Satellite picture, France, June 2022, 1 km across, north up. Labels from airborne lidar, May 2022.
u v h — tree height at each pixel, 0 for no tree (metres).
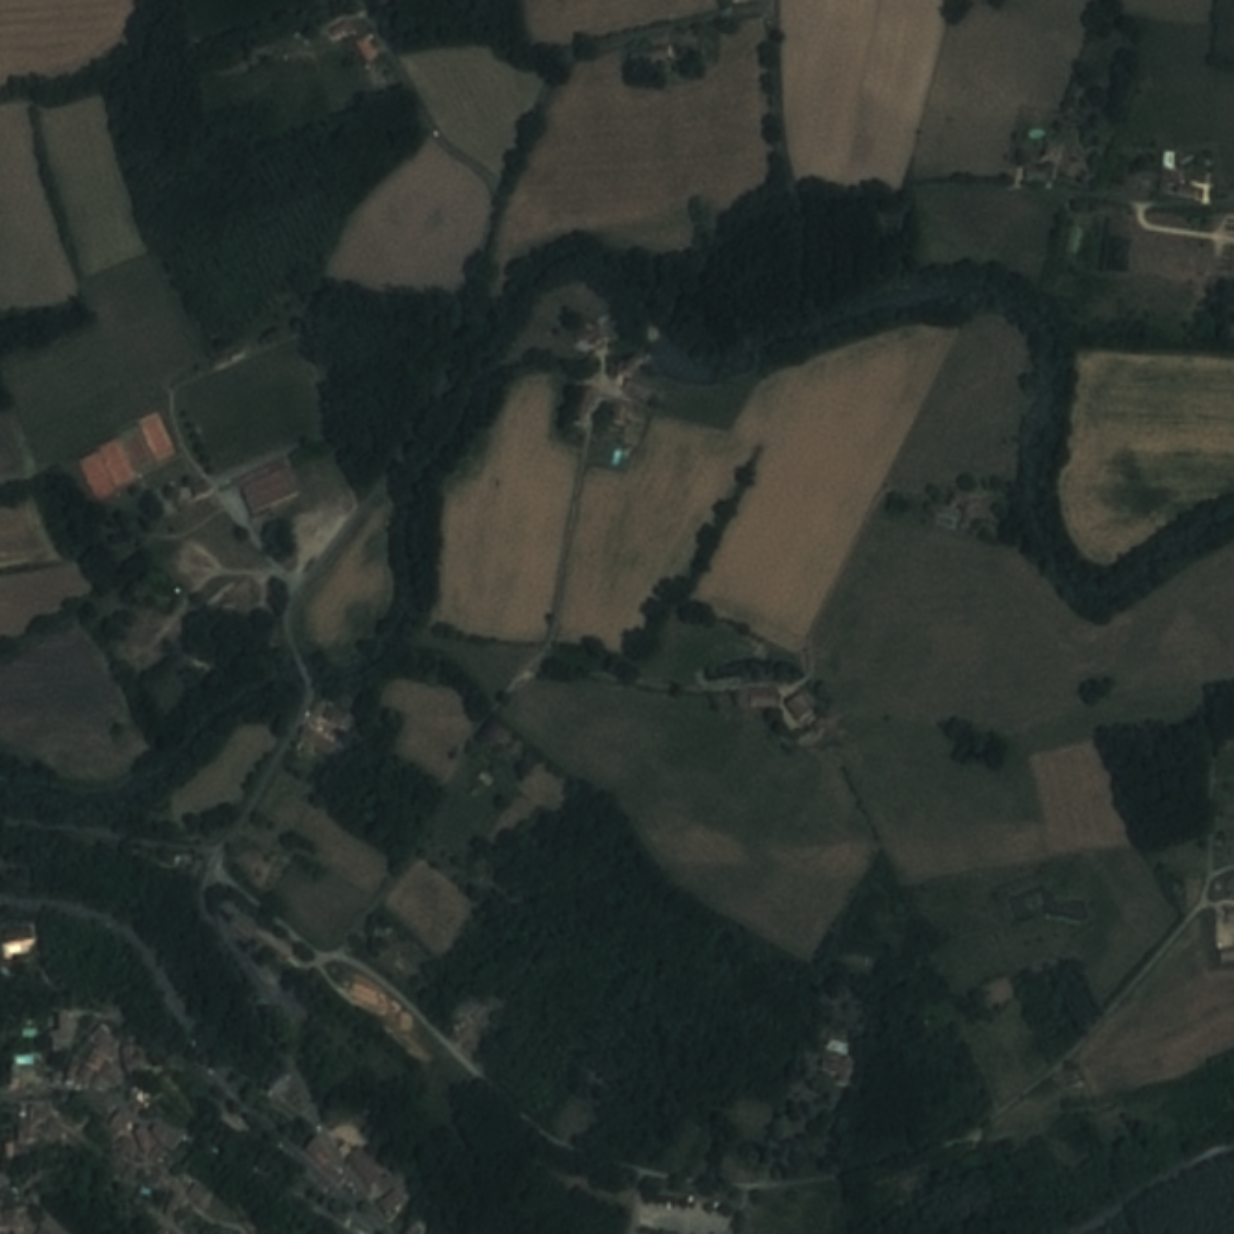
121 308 0
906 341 0
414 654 16
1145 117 0
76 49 0
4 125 0
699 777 0
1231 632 0
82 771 0
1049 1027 6
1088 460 0
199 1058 15
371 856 0
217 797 0
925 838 0
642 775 0
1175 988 0
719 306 17
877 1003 25
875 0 0
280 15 13
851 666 0
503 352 33
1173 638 0
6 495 23
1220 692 17
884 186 18
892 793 0
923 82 0
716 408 0
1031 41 0
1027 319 18
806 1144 20
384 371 34
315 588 0
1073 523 0
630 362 0
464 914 0
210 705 22
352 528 0
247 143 13
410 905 0
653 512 0
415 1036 0
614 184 0
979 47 0
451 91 0
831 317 16
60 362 0
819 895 0
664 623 17
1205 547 7
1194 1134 6
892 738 0
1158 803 19
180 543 0
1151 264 0
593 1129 8
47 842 20
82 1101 11
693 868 0
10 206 0
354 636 0
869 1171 15
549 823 18
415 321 27
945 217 0
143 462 0
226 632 26
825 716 13
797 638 0
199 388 0
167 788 11
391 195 0
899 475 0
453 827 0
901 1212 9
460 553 0
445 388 0
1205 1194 11
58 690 0
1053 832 0
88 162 0
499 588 0
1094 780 0
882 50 0
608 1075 33
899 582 0
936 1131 7
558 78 20
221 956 18
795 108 0
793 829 0
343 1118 0
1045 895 0
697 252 15
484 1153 20
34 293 0
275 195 12
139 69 20
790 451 0
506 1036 18
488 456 0
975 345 0
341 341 33
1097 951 0
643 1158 9
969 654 0
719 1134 10
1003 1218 12
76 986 13
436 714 0
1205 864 0
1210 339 9
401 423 30
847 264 32
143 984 16
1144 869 0
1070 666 0
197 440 8
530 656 0
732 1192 15
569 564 0
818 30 0
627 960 19
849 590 0
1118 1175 15
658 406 7
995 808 0
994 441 0
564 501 0
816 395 0
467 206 0
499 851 13
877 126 0
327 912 0
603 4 0
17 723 0
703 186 0
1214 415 0
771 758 0
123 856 14
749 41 0
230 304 6
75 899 7
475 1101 19
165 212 17
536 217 0
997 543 6
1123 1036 0
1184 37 0
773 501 0
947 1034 7
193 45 9
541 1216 6
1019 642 0
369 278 0
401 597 8
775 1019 10
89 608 13
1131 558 14
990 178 7
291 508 0
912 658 0
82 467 0
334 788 27
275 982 0
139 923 9
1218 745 18
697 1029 24
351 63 6
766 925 0
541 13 0
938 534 0
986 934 0
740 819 0
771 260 22
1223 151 0
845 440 0
